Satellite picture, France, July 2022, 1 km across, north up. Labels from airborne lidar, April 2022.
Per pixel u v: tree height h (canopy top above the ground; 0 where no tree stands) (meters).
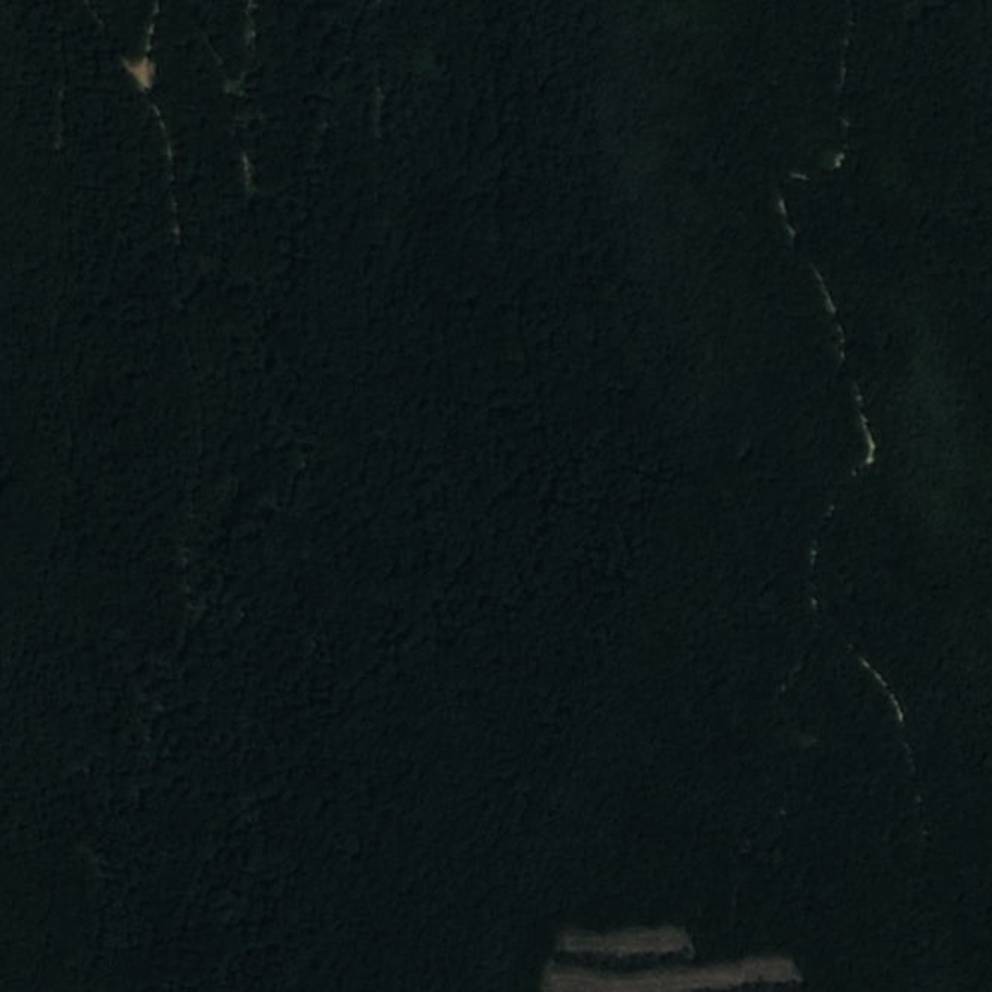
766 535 17
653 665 16
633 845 17
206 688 26
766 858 22
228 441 11
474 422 28
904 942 21
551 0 12
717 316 14
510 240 15
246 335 6
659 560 17
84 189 20
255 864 27
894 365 15
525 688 21
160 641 21
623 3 9
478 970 20
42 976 18
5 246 18
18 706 12
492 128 21
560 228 12
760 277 21
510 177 21
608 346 19
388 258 20
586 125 16
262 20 24
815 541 12
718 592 18
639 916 12
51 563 17
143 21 10
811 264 23
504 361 25
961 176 7
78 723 20
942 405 7
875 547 19
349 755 21
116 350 24
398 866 21
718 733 22
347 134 14
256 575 20
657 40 9
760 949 15
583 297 18
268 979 25
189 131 23
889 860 15
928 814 14
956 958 20
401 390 22
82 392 13
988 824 16
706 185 18
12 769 16
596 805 16
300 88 19
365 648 25
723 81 18
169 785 19
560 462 28
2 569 18
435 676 23
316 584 22
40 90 15
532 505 31
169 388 19
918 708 17
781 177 22
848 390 19
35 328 19
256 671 17
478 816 20
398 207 20
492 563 21
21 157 19
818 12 17
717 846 21
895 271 21
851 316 16
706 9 12
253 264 21
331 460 19
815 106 15
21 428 20
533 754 22
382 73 12
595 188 15
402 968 21
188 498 20
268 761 25
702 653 17
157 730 23
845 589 23
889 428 9
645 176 5
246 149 25
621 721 14
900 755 14
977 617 23
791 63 16
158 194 19
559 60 12
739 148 22
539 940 16
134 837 22
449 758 22
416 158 16
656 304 12
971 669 16
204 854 19
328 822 23
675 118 10
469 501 22
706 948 16
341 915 21
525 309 17
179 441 18
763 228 18
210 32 22
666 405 19
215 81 25
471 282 21
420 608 23
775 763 19
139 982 18
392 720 24
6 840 18
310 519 19
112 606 15
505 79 19
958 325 22
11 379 19
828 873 22
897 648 18
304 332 16
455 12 17
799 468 15
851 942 19
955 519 10
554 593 24
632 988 0
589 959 11
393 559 16
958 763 19
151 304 22
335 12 21
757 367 12
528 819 20
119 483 21
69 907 18
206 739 9
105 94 16
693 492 17
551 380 21
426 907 18
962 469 9
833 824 19
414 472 20
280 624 20
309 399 24
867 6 18
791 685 13
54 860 22
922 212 22
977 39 15
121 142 17
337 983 24
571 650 25
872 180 16
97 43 22
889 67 13
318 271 27
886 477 13
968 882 17
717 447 15
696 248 10
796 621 16
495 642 26
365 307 14
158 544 14
